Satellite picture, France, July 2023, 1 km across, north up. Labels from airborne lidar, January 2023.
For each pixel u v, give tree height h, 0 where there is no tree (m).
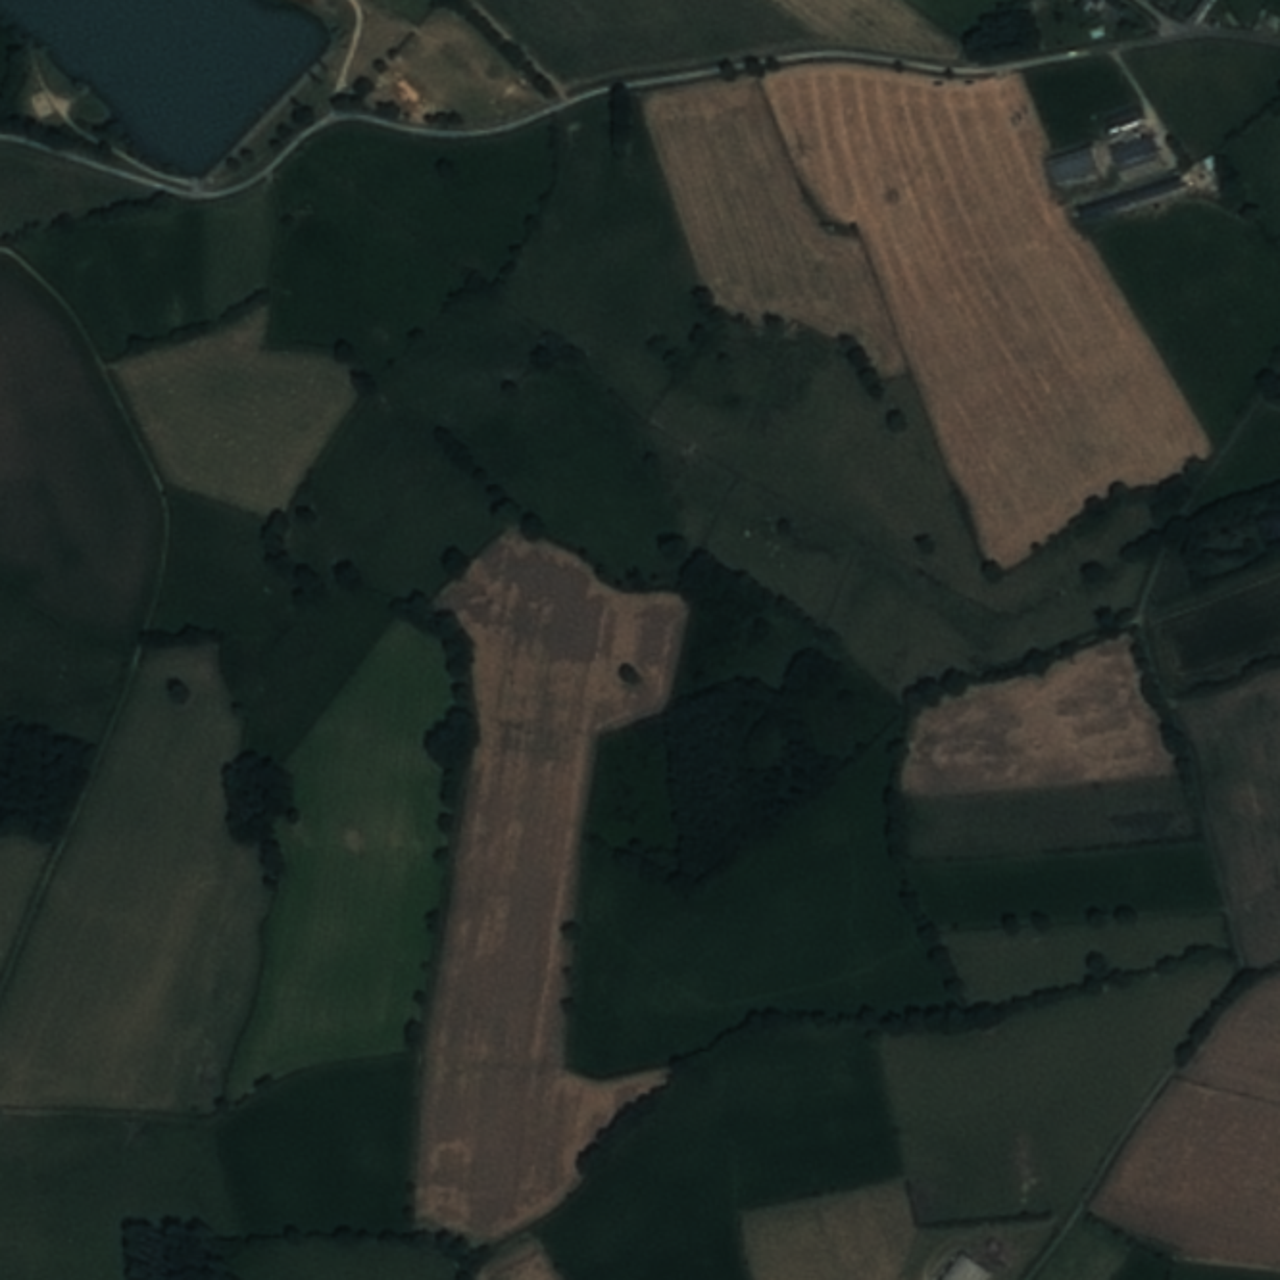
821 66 0
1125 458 0
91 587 0
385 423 0
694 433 0
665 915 0
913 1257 0
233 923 0
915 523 0
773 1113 0
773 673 0
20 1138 0
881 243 0
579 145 0
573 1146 0
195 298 0
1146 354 0
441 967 0
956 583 0
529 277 0
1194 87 0
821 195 0
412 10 0
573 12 0
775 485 0
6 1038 0
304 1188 0
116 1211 0
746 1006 0
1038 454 0
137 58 0
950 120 0
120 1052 0
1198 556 8
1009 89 0
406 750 0
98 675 0
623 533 0
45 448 0
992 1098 0
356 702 0
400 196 0
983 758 0
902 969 0
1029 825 0
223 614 0
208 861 0
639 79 0
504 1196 0
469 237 0
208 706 0
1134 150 0
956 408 0
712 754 16
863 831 0
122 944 0
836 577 0
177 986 0
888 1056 0
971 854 0
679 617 0
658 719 6
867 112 0
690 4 0
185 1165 0
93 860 0
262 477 0
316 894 0
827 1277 0
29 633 0
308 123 18
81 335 0
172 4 0
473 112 0
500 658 0
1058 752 0
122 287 0
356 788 0
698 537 0
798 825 0
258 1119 0
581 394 0
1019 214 0
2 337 0
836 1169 0
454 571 19
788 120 0
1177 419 0
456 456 13
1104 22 0
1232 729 0
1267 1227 0
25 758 20
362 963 0
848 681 0
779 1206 0
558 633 0
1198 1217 0
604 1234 0
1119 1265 0
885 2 0
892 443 0
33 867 0
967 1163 0
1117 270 0
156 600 0
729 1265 0
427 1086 0
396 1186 0
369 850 0
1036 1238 0
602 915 0
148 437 0
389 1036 0
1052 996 10
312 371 0
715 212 0
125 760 0
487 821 0
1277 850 0
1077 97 0
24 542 0
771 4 0
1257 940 0
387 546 0
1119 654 0
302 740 0
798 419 0
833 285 0
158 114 0
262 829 19
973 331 0
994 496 0
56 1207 0
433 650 0
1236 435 0
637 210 0
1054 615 0
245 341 0
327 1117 0
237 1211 0
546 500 0
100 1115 0
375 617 0
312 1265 0
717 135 0
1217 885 0
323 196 0
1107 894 0
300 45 0
